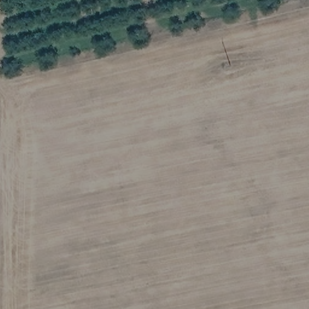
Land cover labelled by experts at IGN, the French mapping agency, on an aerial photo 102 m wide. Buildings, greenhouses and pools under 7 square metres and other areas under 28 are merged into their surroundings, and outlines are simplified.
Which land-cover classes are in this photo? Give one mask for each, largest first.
<instances>
[{"label":"agricultural land","instance_id":"1","mask_svg":"<svg viewBox=\"0 0 309 309\"><path fill-rule=\"evenodd\" d=\"M157 52L141 53L142 58L126 63L110 64L103 58H98L82 63L81 71L77 74L51 78L36 84L28 81L6 86L8 92L4 97L0 94V309H309V16L181 48H171L168 42H164L156 46Z\"/></svg>","mask_w":309,"mask_h":309},{"label":"herbaceous vegetation","instance_id":"2","mask_svg":"<svg viewBox=\"0 0 309 309\"><path fill-rule=\"evenodd\" d=\"M141 5L113 7L110 11L97 12L92 16L78 19L76 23L49 25V34L60 29H77L84 23L115 14L153 8L163 0H140ZM186 2L185 6H174L171 12L158 14L156 18H147L146 24L130 25L128 29L123 25H116L107 28L106 33L101 35H95L94 31H89L84 36L74 33L69 39L62 34L59 40L53 41L52 47L41 48L37 52L34 48L16 52L13 57L21 59L24 65L21 75L12 78L0 75V94L4 97L8 92L6 86L28 81L36 84L51 78L77 74L81 71L82 63L98 58L94 53L93 42L107 40L110 37L117 43L116 49L103 58L110 64L126 63L142 58L141 53L157 52L156 46L164 42H168L171 48H181L309 16V0H183ZM191 12H199L202 17H212V21L206 22L204 27L198 30L185 29L179 36L173 35L168 30L170 17L177 16L181 21ZM145 27L151 34V41L144 48H135L129 41L128 33ZM47 53L58 57V63L54 68L42 71L36 64V54L45 56ZM51 12V8L22 12L7 18L0 11V24L34 18ZM31 36V31L4 36L0 31V62L5 57L2 46L8 42L18 43L24 37Z\"/></svg>","mask_w":309,"mask_h":309},{"label":"deciduous trees","instance_id":"3","mask_svg":"<svg viewBox=\"0 0 309 309\"><path fill-rule=\"evenodd\" d=\"M141 5L140 0H0V11L7 18L22 12L51 8V12L34 18L0 24V31L4 36L31 31V36L24 37L18 43L8 42L2 46L5 57L0 62V75L12 78L21 75L24 65L21 59L13 57L16 52L34 48L37 52L41 48L52 47L53 41L59 40L62 34L69 39L74 33L84 36L89 31H94L95 35H101L106 33L107 28L116 25H123L128 29L130 25L146 24L147 18H156L158 14L171 12L174 6H185L186 2L183 0H163L153 8L115 14L84 23L77 29H60L49 34V25L76 23L78 19L92 16L97 12L110 11L113 7ZM212 21V17H202L199 12H191L181 21L177 16L170 17L168 30L173 35L179 36L185 29L198 30L204 27L206 22ZM129 41L135 48H144L151 41V34L145 27L128 33ZM94 53L98 58H103L116 49L117 43L110 37L107 40L93 42ZM36 64L42 71L54 68L58 63V57L47 53L45 56L36 54Z\"/></svg>","mask_w":309,"mask_h":309}]
</instances>
